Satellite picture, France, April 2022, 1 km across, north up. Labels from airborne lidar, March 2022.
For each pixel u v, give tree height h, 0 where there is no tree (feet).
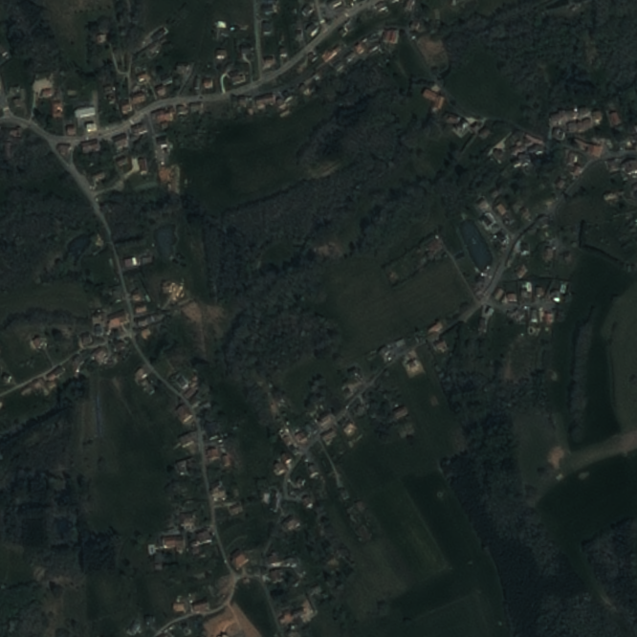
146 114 0
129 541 0
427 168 0
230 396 0
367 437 0
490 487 63
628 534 61
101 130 0
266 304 75
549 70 0
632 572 64
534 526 76
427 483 0
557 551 65
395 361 0
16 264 74
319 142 71
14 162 58
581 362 64
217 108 0
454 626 0
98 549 92
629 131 40
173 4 0
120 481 0
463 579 0
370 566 0
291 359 34
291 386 0
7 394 0
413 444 18
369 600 0
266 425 73
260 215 62
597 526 0
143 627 0
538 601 62
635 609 56
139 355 0
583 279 0
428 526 0
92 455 0
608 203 0
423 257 0
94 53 53
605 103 23
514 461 77
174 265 0
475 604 0
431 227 0
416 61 0
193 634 0
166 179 0
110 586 0
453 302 0
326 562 53
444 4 0
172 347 69
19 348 0
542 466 0
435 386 0
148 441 0
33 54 79
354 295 0
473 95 0
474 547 0
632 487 0
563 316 29
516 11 70
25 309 0
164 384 44
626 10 100
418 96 0
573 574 58
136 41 83
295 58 0
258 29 0
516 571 55
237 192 0
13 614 56
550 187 25
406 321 0
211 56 0
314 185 45
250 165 0
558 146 53
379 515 0
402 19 0
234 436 27
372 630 0
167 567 32
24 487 95
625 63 25
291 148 0
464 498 45
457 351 23
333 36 0
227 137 0
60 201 60
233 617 0
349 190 33
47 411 0
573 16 0
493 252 0
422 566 0
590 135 0
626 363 0
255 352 20
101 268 0
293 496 0
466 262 0
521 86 26
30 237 48
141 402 0
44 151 73
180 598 0
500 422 90
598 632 55
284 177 0
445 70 30
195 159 0
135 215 32
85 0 0
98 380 0
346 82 68
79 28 0
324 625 0
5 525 62
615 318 0
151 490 0
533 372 0
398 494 0
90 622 0
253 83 0
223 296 57
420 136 58
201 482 28
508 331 0
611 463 0
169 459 0
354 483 0
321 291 75
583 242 35
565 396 0
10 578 0
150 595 0
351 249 0
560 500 0
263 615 0
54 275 39
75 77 0
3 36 0
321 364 0
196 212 75
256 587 0
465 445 0
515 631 48
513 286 0
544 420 0
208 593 0
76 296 0
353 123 61
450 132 58
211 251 72
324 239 50
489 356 0
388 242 87
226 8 0
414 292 0
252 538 0
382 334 0
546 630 75
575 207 0
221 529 0
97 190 0
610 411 0
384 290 0
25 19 77
